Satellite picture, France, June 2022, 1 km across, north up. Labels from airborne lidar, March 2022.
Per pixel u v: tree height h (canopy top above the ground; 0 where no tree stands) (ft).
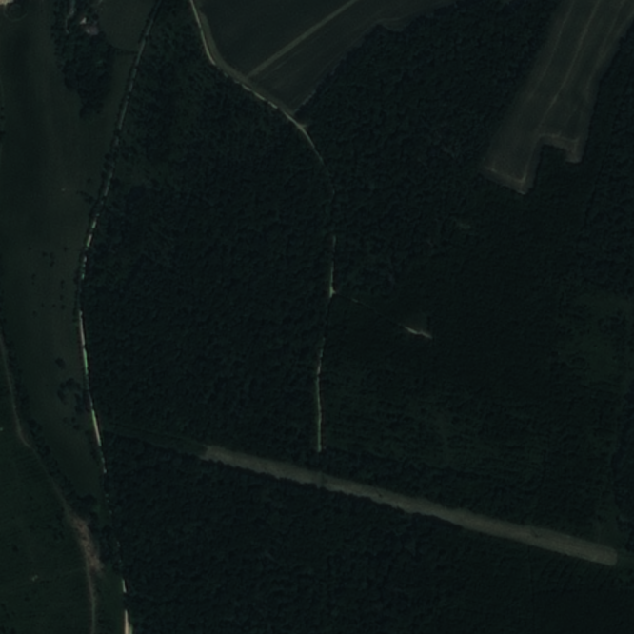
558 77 0
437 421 0
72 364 0
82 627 0
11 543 0
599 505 0
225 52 0
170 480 0
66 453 0
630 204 68
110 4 0
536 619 0
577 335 0
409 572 89
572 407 0
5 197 0
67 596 0
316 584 61
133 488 64
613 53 0
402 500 0
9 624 0
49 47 0
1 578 0
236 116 0
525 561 0
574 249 0
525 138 0
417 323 0
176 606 61
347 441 0
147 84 0
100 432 0
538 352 0
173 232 0
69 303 0
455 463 0
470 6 63
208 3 0
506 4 0
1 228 0
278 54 0
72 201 0
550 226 0
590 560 0
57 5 23
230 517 0
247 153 0
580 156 0
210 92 0
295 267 0
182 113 0
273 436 0
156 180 0
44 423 0
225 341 0
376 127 72
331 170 63
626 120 0
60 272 0
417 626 76
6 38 0
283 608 0
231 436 0
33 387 0
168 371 75
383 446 0
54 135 0
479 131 57
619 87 0
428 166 67
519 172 0
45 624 0
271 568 0
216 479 0
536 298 0
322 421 0
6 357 0
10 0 0
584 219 0
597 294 0
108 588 0
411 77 72
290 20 0
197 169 0
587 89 0
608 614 0
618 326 0
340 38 0
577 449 0
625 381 0
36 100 0
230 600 0
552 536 0
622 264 0
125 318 68
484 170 0
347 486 0
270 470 0
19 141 0
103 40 45
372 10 0
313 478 0
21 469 0
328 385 0
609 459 0
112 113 0
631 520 0
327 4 0
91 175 0
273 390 0
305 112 52
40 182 0
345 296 0
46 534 0
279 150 0
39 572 0
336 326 0
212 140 0
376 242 0
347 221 58
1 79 0
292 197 0
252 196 0
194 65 0
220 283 0
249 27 0
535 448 0
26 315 0
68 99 0
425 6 0
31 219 0
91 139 0
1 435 0
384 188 79
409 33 47
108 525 0
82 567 0
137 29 0
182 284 0
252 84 0
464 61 0
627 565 0
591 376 0
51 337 0
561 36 0
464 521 0
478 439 0
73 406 0
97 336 56
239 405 0
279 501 0
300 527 0
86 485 0
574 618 0
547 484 0
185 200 0
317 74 0
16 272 0
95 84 74
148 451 70
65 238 0
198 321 0
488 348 0
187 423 0
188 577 0
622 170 0
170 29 0
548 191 0
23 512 0
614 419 0
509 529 0
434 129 65
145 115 0
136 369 69
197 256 0
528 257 0
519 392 0
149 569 54
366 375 0
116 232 80
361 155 60
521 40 0
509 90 62
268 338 0
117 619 0
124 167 0
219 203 0
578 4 0
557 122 0
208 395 0
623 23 0
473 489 0
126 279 0
